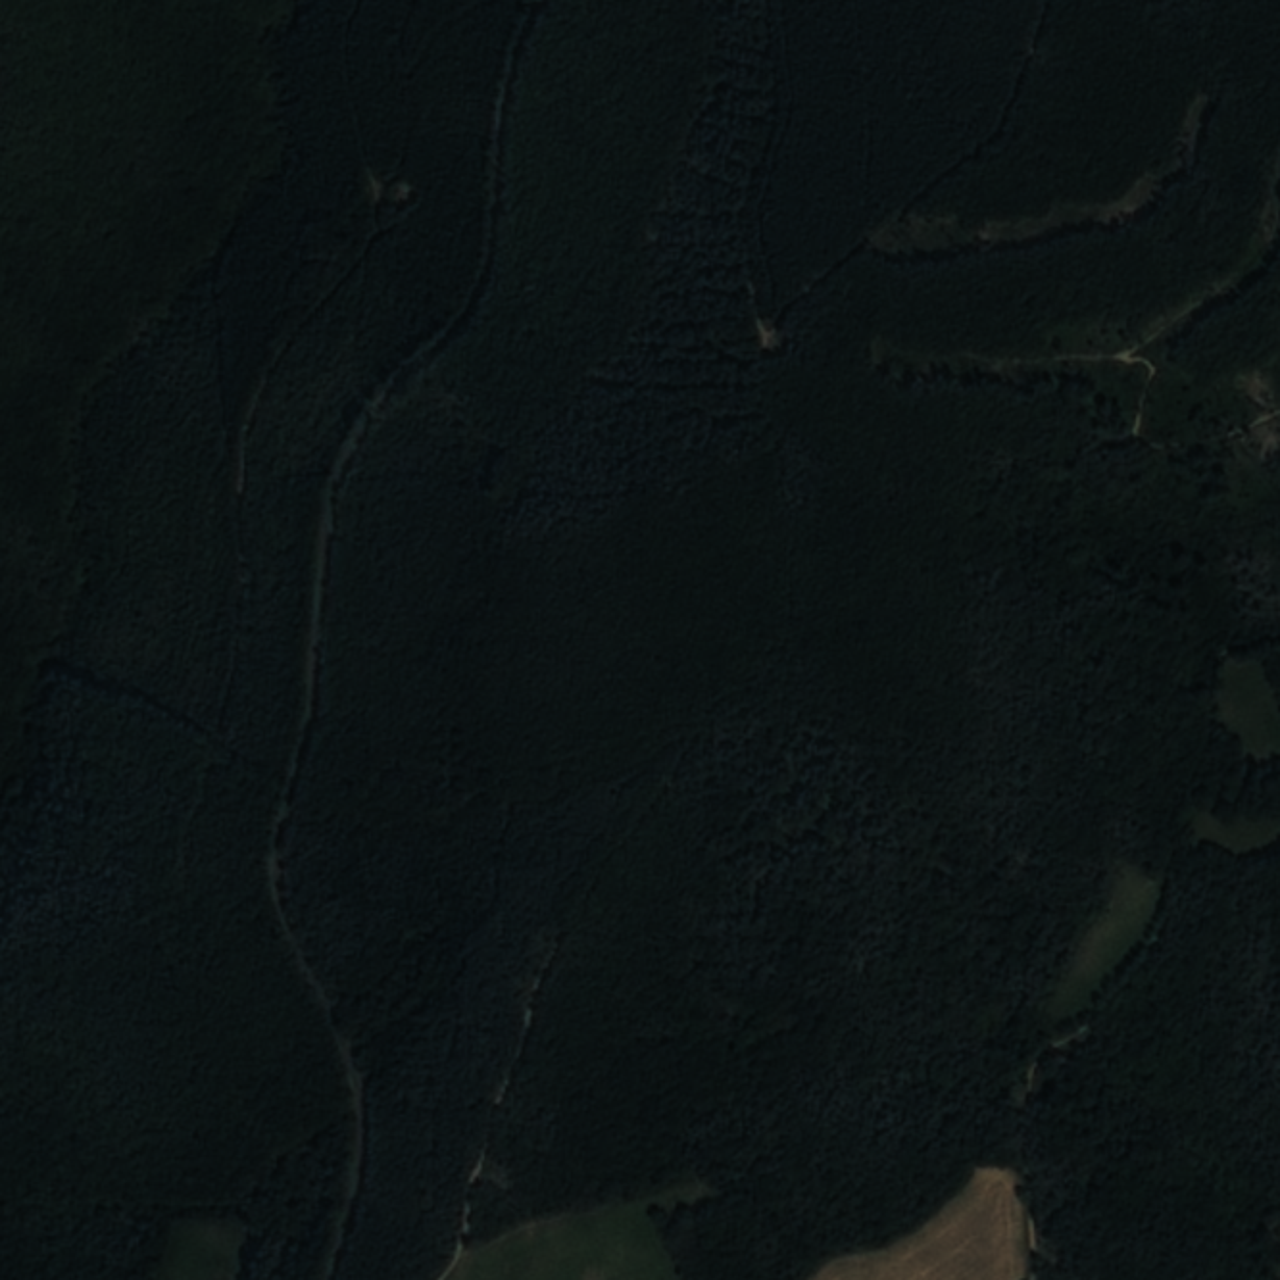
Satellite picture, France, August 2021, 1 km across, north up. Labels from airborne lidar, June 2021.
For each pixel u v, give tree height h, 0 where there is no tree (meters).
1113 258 19
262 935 20
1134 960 13
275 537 6
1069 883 19
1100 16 15
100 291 20
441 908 11
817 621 17
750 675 11
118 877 16
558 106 16
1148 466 17
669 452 18
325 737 12
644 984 17
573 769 14
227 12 23
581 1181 14
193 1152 26
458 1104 9
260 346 10
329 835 8
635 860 15
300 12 12
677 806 14
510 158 15
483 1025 9
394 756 15
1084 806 17
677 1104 14
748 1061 12
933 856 10
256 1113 20
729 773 18
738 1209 22
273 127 18
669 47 22
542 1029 14
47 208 20
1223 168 17
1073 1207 13
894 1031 14
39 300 20
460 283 11
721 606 16
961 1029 16
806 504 17
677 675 16
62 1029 15
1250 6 17
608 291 16
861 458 15
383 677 10
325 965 7
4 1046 14
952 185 13
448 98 7
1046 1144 17
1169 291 19
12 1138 27
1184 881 13
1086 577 20
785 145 11
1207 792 29
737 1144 22
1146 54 16
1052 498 17
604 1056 17
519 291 14
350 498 7
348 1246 10
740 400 18
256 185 11
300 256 9
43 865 18
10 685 23
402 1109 10
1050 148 14
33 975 17
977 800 17
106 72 10
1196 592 6
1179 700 21
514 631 14
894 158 12
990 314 20
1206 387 21
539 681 13
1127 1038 9
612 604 16
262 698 10
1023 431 20
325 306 5
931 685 16
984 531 18
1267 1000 12
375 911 10
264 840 15
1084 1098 22
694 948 18
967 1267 0
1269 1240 27
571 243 13
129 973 17
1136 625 21
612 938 16
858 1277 0
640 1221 0
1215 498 20
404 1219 8
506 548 15
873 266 15
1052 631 19
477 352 16
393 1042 10
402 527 9
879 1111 6
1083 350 0
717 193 15
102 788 16
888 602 16
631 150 17
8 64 11
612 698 16
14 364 17
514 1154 10
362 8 10
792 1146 18
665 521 16
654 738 14
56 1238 12
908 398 17
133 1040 17
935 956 22
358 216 10
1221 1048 19
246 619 10
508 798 11
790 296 8
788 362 13
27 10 14
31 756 8
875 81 13
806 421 16
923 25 13
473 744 16
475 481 6
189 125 20
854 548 20
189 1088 21
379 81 10
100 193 19
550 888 12
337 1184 17
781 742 9
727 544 15
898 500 17
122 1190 22
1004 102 10
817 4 14
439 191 10
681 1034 16
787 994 18
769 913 19
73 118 15
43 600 12
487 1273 0
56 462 19
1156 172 16
